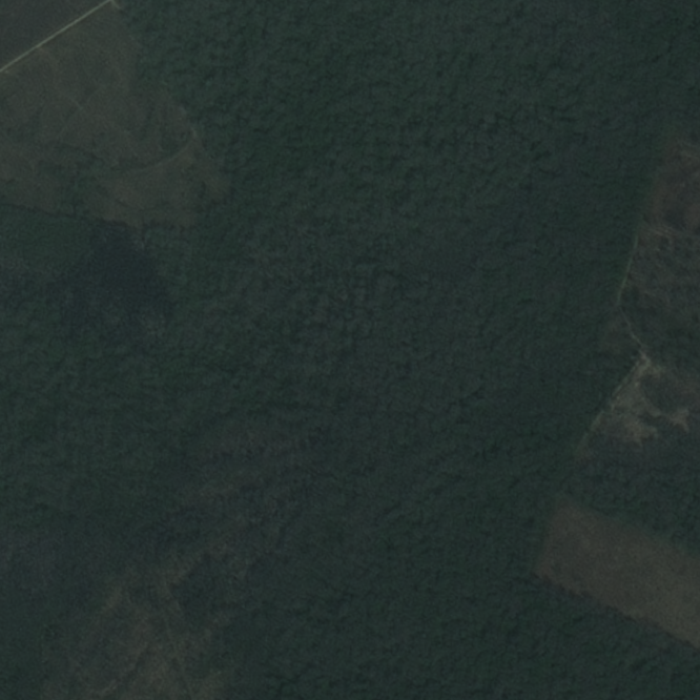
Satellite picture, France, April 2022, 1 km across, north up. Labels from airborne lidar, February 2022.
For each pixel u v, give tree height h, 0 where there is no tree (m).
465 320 28
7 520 24
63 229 16
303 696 24
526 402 29
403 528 24
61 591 21
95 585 22
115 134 0
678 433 8
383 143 16
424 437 25
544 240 20
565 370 26
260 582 29
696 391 0
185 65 28
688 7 26
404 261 27
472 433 27
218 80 24
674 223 0
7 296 20
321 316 27
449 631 24
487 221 23
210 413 18
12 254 20
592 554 0
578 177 27
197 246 12
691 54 23
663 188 0
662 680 25
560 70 27
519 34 19
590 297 26
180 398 26
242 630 25
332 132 18
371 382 29
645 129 24
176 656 0
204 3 29
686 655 24
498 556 26
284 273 25
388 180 26
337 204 27
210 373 15
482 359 30
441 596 23
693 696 25
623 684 24
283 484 19
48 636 25
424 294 31
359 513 27
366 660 28
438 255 25
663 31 21
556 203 30
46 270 17
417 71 27
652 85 26
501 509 22
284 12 20
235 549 19
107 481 29
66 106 0
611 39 21
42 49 0
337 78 14
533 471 28
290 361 27
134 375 25
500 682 23
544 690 28
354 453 24
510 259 27
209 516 20
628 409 0
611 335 29
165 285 19
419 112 28
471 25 29
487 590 22
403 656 24
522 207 24
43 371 24
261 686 24
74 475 32
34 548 14
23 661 29
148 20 27
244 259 17
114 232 19
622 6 23
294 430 24
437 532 21
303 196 29
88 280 19
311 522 27
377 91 28
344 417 31
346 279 6
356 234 26
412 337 25
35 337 11
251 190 21
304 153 16
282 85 24
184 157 0
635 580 0
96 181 9
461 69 17
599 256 29
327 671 28
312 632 27
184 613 18
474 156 30
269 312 24
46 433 12
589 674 27
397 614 20
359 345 24
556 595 31
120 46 0
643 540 0
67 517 6
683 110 25
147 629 0
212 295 13
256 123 22
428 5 24
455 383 26
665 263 24
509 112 21
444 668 19
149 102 0
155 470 11
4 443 27
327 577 25
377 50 17
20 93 0
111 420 26
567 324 20
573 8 23
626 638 29
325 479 23
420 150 30
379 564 26
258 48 24
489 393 26
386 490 25
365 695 21
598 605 26
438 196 24
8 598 24
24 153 0
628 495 28
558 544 0
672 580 0
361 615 26
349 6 27
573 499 26
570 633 22
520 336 25
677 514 18
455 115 23
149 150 0
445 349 29
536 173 28
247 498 22
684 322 30
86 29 0
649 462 18
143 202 0
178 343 23
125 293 21
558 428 30
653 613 0
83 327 19
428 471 19
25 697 30
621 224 27
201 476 17
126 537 22
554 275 26
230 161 17
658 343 27
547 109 28
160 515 29
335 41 27
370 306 28
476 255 25
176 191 0
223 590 19
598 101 23
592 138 29
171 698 0
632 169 28
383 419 29
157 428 31
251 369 9
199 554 19
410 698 15
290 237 22
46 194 0
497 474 29
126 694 0
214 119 24
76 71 0
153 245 20
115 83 0
